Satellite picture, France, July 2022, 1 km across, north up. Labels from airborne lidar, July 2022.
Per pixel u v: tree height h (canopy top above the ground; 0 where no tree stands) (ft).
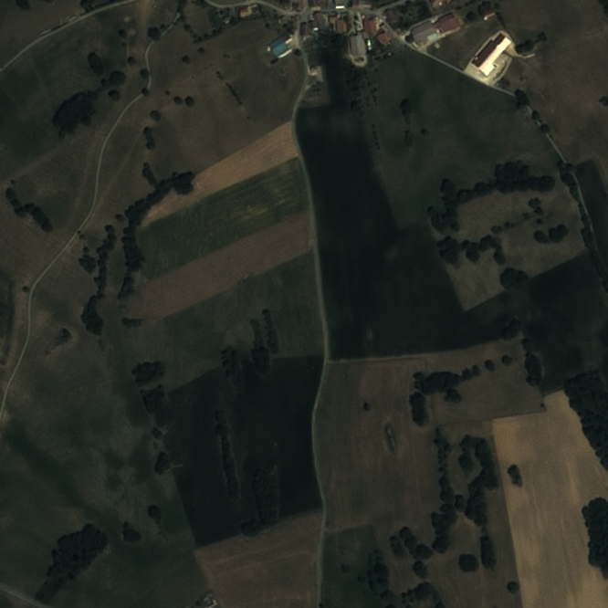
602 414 78
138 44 0
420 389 42
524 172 43
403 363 0
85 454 0
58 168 0
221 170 0
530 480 0
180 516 0
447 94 0
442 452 27
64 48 0
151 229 0
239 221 0
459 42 0
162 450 0
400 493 0
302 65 0
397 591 0
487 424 0
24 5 44
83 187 0
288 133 0
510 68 0
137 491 0
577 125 0
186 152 0
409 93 0
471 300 0
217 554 0
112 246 54
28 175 0
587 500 0
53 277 0
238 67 0
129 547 0
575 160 0
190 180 42
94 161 0
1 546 0
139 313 0
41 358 0
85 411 0
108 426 0
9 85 0
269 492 62
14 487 0
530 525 0
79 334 0
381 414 0
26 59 0
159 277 0
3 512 0
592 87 0
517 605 0
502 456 0
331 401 0
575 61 0
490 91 0
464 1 0
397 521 0
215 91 0
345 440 0
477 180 0
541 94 0
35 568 0
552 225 0
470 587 0
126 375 0
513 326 46
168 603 0
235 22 40
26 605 0
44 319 0
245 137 0
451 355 0
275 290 0
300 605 0
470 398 0
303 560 0
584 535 0
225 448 36
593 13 0
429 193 0
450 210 38
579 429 0
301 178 0
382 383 0
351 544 0
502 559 0
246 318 0
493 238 39
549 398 0
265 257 0
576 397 64
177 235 0
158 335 0
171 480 0
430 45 0
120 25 0
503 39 0
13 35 0
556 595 0
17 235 0
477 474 0
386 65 0
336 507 0
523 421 0
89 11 31
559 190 0
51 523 0
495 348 0
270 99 0
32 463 0
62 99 0
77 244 0
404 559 0
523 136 0
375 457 0
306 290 0
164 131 0
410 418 0
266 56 0
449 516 60
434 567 0
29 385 0
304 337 0
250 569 0
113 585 0
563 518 0
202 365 0
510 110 0
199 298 0
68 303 0
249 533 41
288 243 0
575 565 0
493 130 0
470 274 0
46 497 0
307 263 0
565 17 0
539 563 0
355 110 26
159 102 0
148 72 33
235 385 22
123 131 0
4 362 0
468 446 37
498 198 0
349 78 20
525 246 0
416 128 0
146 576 0
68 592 0
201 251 0
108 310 0
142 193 0
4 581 0
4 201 0
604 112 0
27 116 0
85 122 52
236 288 0
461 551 0
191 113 0
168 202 0
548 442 0
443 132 0
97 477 0
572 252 0
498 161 0
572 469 0
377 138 22
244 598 0
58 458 0
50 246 0
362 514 0
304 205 0
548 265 0
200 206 0
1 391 0
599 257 40
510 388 0
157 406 28
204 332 0
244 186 0
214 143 0
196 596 0
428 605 0
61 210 0
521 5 0
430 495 0
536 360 58
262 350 39
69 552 21
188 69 0
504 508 0
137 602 0
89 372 0
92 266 36
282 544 0
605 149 0
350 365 0
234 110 0
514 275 56
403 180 0
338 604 0
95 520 0
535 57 0
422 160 0
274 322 29
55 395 0
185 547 0
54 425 0
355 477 0
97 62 52
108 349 0
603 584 0
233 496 44
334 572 0
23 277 0
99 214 0
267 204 0
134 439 0
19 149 0
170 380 0
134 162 0
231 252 0
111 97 46
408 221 0
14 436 0
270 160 0
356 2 0
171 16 0
